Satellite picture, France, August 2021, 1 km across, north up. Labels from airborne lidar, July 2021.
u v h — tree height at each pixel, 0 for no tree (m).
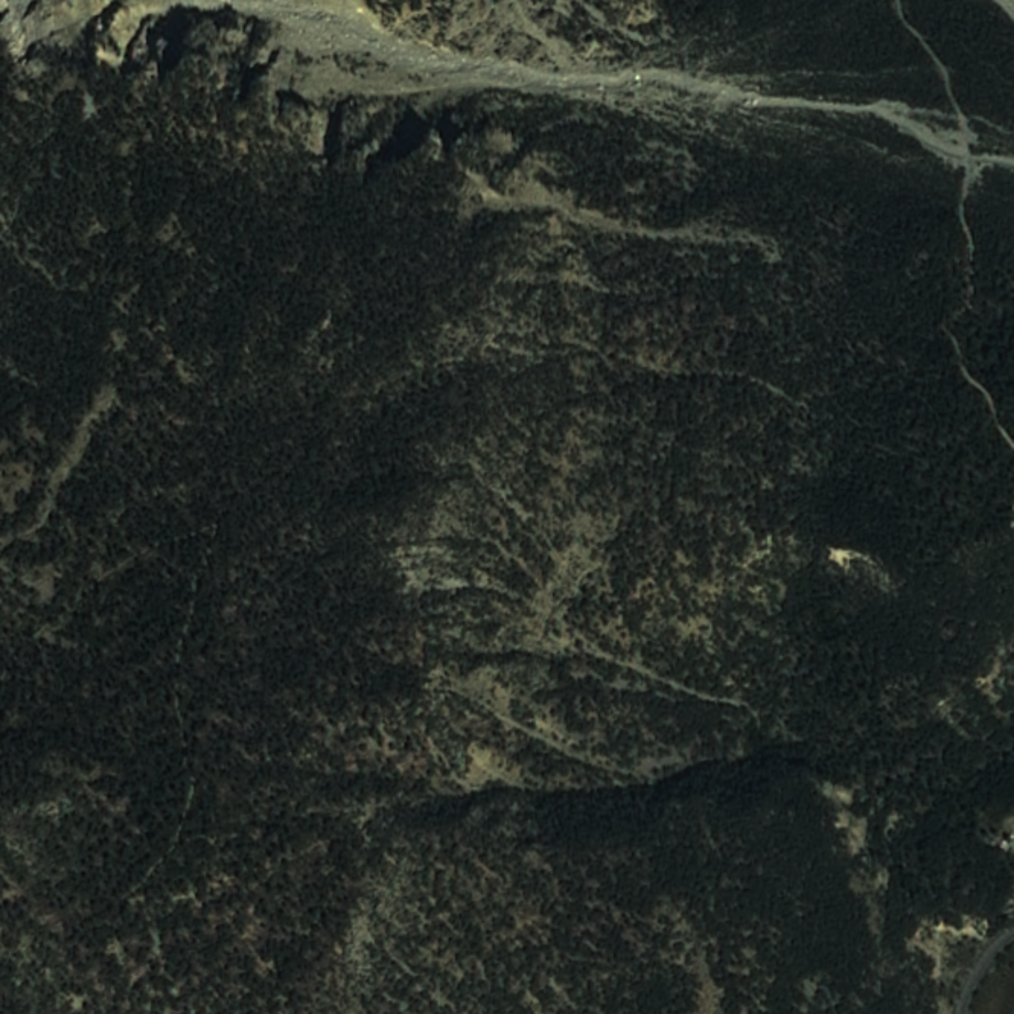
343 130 6
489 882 11
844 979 10
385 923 7
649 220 10
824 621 9
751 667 8
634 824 13
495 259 11
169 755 11
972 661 12
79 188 13
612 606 10
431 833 6
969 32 9
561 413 7
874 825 7
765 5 8
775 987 10
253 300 12
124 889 18
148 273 10
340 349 12
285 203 13
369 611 7
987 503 14
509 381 8
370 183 9
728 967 12
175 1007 8
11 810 8
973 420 11
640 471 10
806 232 9
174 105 11
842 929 10
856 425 9
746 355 13
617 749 7
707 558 11
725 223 6
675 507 12
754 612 9
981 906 8
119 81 9
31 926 10
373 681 10
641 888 7
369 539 11
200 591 9
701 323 10
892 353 11
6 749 14
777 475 10
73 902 13
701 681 15
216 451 8
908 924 11
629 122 8
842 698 15
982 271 13
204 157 14
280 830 17
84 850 13
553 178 9
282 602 12
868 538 6
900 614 7
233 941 9
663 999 10
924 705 12
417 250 11
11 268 7
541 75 0
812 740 6
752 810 5
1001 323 12
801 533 7
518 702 7
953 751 15
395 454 10
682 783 11
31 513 11
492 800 9
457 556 8
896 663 10
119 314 9
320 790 6
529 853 6
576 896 11
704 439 11
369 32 0
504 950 7
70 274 12
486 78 0
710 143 7
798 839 10
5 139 11
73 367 9
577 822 17
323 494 9
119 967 9
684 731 10
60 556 11
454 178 10
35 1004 10
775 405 12
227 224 10
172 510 8
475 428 7
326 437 9
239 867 15
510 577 11
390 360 9
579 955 13
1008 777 19
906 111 0
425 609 11
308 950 15
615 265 10
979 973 0
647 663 7
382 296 9
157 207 9
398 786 11
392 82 0
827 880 10
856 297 11
